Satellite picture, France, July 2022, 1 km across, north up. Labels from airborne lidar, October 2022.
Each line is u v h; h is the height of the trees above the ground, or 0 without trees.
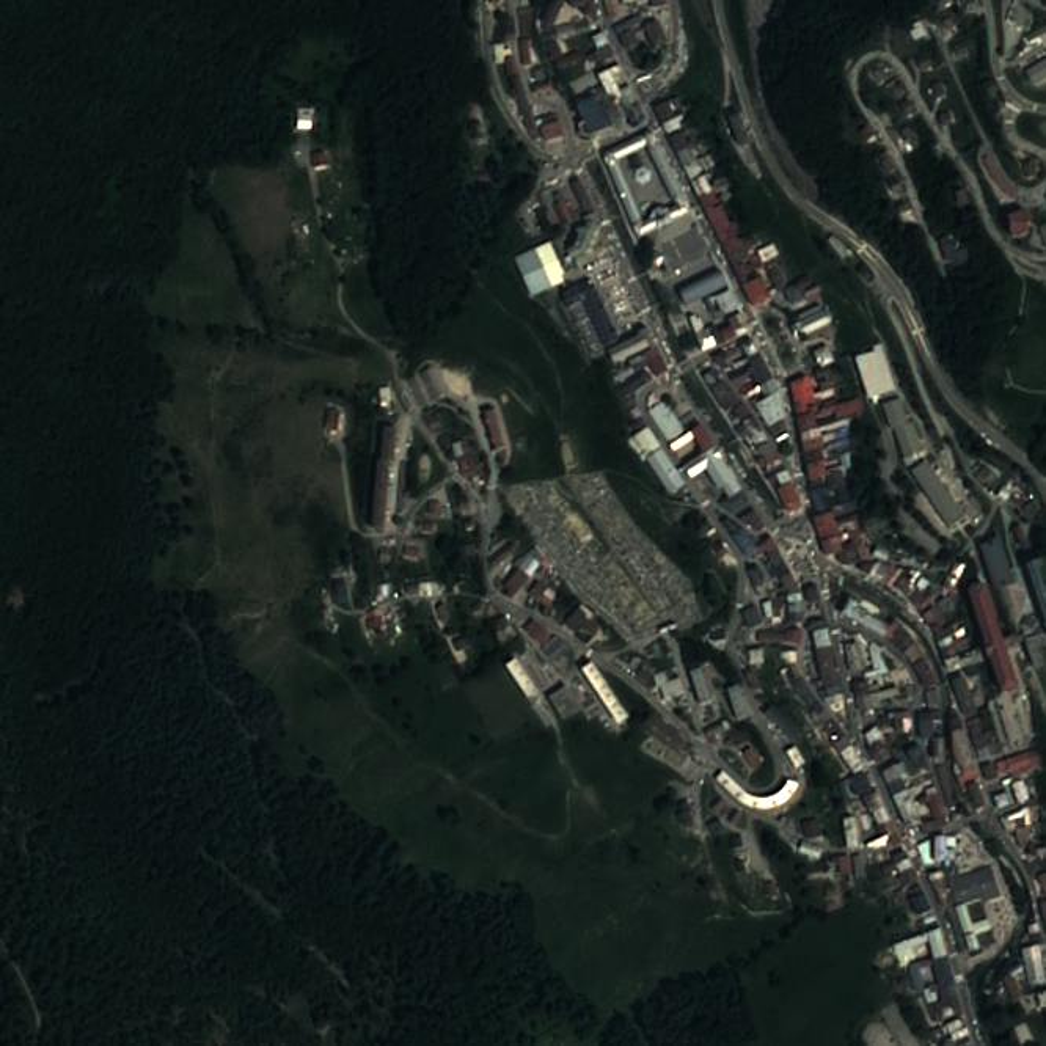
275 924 31
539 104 0
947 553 14
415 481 11
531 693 0
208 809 23
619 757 0
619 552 0
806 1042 0
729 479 0
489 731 0
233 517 0
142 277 17
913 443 0
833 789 9
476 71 39
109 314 29
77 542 30
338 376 0
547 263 0
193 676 29
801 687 0
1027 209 0
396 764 0
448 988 32
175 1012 18
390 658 0
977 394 11
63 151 26
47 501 26
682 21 0
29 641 37
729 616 13
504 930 19
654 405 0
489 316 0
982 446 6
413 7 37
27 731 32
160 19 25
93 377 29
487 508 0
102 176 25
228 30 25
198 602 25
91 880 33
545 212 9
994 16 0
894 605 7
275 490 0
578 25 0
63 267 30
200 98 27
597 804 0
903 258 24
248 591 0
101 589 36
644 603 0
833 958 0
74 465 28
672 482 0
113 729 31
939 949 0
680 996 35
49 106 23
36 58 23
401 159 33
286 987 37
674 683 0
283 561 0
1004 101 5
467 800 0
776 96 23
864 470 25
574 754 0
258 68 21
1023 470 14
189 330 26
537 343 0
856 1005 0
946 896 0
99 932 18
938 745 0
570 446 0
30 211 24
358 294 0
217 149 20
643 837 0
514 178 11
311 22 31
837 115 20
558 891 0
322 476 0
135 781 28
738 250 0
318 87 7
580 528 0
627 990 0
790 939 23
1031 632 0
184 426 0
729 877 0
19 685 27
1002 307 16
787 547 0
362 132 7
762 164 0
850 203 15
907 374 12
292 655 0
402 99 30
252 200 0
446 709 0
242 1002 13
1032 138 0
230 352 0
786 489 0
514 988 18
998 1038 5
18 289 26
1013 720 0
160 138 28
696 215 0
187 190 32
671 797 11
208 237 0
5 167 20
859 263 0
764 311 0
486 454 6
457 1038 29
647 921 0
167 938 28
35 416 28
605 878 0
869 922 0
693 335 7
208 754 39
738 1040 20
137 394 17
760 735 9
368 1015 21
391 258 33
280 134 8
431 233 35
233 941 27
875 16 9
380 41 33
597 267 0
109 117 27
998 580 0
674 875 0
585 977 0
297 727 0
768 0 0
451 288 34
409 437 0
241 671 32
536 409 0
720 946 0
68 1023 16
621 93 0
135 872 30
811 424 0
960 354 23
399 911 31
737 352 0
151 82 23
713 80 0
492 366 0
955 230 8
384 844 32
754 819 0
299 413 0
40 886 20
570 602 10
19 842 22
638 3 0
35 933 8
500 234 25
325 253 0
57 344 32
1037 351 0
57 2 21
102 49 22
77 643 34
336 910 35
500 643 7
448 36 45
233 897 34
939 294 20
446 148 31
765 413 0
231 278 0
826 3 29
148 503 23
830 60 25
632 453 10
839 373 8
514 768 0
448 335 0
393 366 0
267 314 19
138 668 28
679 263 0
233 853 31
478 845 0
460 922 21
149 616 25
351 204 0
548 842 0
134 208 27
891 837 0
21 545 22
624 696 0
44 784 29
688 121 10
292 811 33
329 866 25
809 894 10
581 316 0
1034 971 0
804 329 0
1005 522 0
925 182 8
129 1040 21
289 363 0
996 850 12
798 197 0
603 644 0
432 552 0
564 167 0
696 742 0
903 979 6
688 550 15
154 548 20
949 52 0
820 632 0
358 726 0
